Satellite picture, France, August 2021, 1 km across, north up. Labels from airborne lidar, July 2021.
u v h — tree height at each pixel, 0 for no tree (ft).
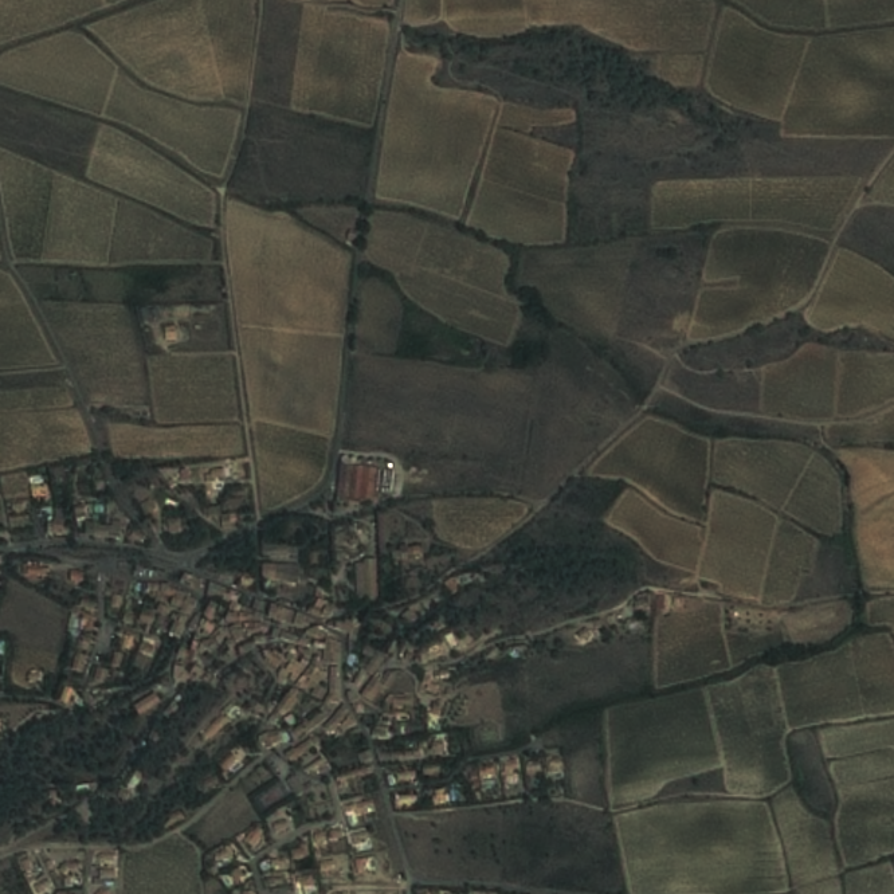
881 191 0
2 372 0
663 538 0
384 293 0
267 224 0
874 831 0
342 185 0
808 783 0
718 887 0
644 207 0
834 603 0
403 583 22
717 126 20
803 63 0
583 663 0
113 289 0
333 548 28
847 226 0
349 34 0
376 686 0
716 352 0
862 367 0
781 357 0
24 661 0
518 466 0
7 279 0
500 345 0
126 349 0
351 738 25
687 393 0
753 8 0
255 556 48
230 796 0
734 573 0
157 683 18
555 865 0
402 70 0
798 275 0
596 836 0
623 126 0
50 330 0
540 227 0
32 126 0
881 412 0
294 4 0
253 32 0
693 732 0
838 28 0
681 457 0
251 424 0
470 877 0
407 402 0
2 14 0
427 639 31
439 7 0
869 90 0
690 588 0
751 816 0
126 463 31
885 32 0
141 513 32
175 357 0
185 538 48
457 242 0
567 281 0
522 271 0
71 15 0
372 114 0
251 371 0
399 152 0
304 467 0
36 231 0
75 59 0
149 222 0
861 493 0
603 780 0
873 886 0
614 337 0
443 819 0
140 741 33
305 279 0
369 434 0
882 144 0
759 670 0
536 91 0
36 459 0
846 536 17
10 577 22
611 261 0
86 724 59
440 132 0
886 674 0
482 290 0
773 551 0
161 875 0
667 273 0
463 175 0
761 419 0
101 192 0
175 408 0
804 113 0
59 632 0
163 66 0
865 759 0
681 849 0
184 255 0
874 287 0
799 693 0
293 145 0
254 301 0
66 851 0
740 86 0
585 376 0
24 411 0
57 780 22
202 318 0
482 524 0
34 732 43
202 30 0
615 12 0
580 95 0
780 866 0
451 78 0
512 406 0
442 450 0
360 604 25
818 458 0
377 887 0
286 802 21
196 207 0
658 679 0
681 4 0
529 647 20
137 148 0
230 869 34
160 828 55
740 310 0
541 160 0
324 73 0
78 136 0
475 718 0
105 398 0
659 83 47
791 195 0
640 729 0
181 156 0
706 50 0
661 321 0
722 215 0
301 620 0
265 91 0
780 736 0
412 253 0
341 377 0
